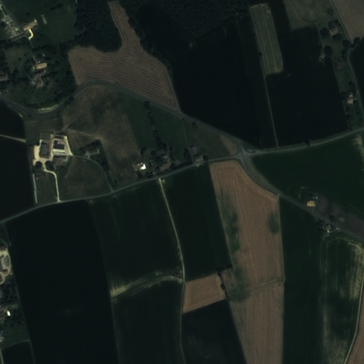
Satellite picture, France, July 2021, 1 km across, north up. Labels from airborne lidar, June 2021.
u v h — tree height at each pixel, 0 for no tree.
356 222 0
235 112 0
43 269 0
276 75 0
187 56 0
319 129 0
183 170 0
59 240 0
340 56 0
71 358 0
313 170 0
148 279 0
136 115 0
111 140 0
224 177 0
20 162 0
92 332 0
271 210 0
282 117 0
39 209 0
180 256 0
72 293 0
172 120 0
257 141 0
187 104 0
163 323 0
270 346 0
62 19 0
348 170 0
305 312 0
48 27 0
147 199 0
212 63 0
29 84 9
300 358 0
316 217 0
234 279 0
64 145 0
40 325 0
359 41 15
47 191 0
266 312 0
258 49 0
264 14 0
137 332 0
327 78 0
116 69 0
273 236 0
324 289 0
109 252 0
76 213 0
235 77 0
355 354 0
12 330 0
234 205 0
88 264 0
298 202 0
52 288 0
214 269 0
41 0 0
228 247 0
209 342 0
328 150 0
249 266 0
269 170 0
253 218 0
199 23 14
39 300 0
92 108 0
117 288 0
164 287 0
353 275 0
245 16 0
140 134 0
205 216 0
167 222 0
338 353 0
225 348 0
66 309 0
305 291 0
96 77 0
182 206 0
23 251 0
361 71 0
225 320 0
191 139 0
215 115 0
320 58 0
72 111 0
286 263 0
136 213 0
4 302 6
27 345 0
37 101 0
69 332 0
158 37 0
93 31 20
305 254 0
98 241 0
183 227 0
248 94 0
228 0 21
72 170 0
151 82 0
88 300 0
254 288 0
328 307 0
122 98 0
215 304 0
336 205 0
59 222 0
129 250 0
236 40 0
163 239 0
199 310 0
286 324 0
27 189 0
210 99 0
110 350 0
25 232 0
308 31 0
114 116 0
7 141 0
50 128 0
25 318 0
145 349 0
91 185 0
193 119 0
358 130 0
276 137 0
